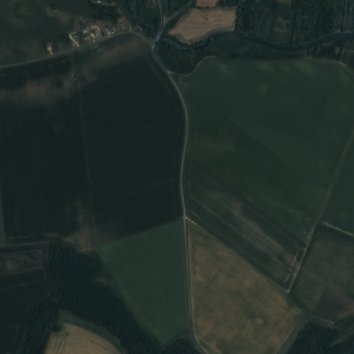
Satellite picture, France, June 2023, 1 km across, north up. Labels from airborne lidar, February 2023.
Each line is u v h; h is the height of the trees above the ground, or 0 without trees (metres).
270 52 0
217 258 0
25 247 0
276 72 0
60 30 0
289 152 0
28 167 0
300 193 0
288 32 0
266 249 0
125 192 0
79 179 0
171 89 0
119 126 0
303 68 0
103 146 0
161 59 8
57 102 0
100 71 0
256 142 0
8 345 0
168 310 0
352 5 11
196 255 0
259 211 0
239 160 0
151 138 0
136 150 0
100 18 12
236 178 0
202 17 0
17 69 0
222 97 0
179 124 0
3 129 0
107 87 0
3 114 0
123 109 0
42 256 0
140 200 0
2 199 0
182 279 0
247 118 0
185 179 0
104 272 0
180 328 0
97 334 0
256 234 0
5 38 0
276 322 0
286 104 0
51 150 0
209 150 0
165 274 0
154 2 0
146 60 0
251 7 20
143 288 0
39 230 0
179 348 16
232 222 0
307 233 0
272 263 0
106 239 0
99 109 0
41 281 0
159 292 0
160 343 0
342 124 0
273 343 0
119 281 0
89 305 15
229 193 0
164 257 0
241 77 0
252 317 0
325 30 19
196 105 0
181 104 0
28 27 0
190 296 0
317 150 0
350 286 0
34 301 0
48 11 0
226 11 0
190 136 0
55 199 0
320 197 0
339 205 0
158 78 0
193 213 0
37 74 0
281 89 0
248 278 0
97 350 0
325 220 0
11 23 0
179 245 0
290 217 0
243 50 0
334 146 0
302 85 0
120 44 0
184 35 0
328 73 0
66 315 0
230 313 0
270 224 0
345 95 0
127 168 0
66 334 0
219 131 0
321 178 0
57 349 0
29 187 0
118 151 0
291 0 0
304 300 0
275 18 0
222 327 0
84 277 17
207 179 0
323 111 0
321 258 0
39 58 0
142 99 0
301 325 0
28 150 0
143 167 0
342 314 0
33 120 0
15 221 0
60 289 14
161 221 0
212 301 0
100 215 0
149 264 0
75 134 0
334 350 19
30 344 19
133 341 16
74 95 0
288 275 0
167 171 0
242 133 0
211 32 0
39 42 0
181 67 6
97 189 0
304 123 0
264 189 0
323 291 0
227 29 0
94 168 0
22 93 0
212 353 0
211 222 0
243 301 0
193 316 0
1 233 0
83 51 0
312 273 0
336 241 0
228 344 0
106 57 0
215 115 0
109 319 19
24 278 0
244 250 0
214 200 0
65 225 0
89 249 0
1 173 0
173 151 0
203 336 0
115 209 0
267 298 0
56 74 0
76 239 0
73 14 0
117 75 0
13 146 0
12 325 0
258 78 0
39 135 0
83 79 0
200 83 0
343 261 0
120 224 0
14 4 0
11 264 0
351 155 0
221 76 0
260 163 0
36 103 0
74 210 0
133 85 0
